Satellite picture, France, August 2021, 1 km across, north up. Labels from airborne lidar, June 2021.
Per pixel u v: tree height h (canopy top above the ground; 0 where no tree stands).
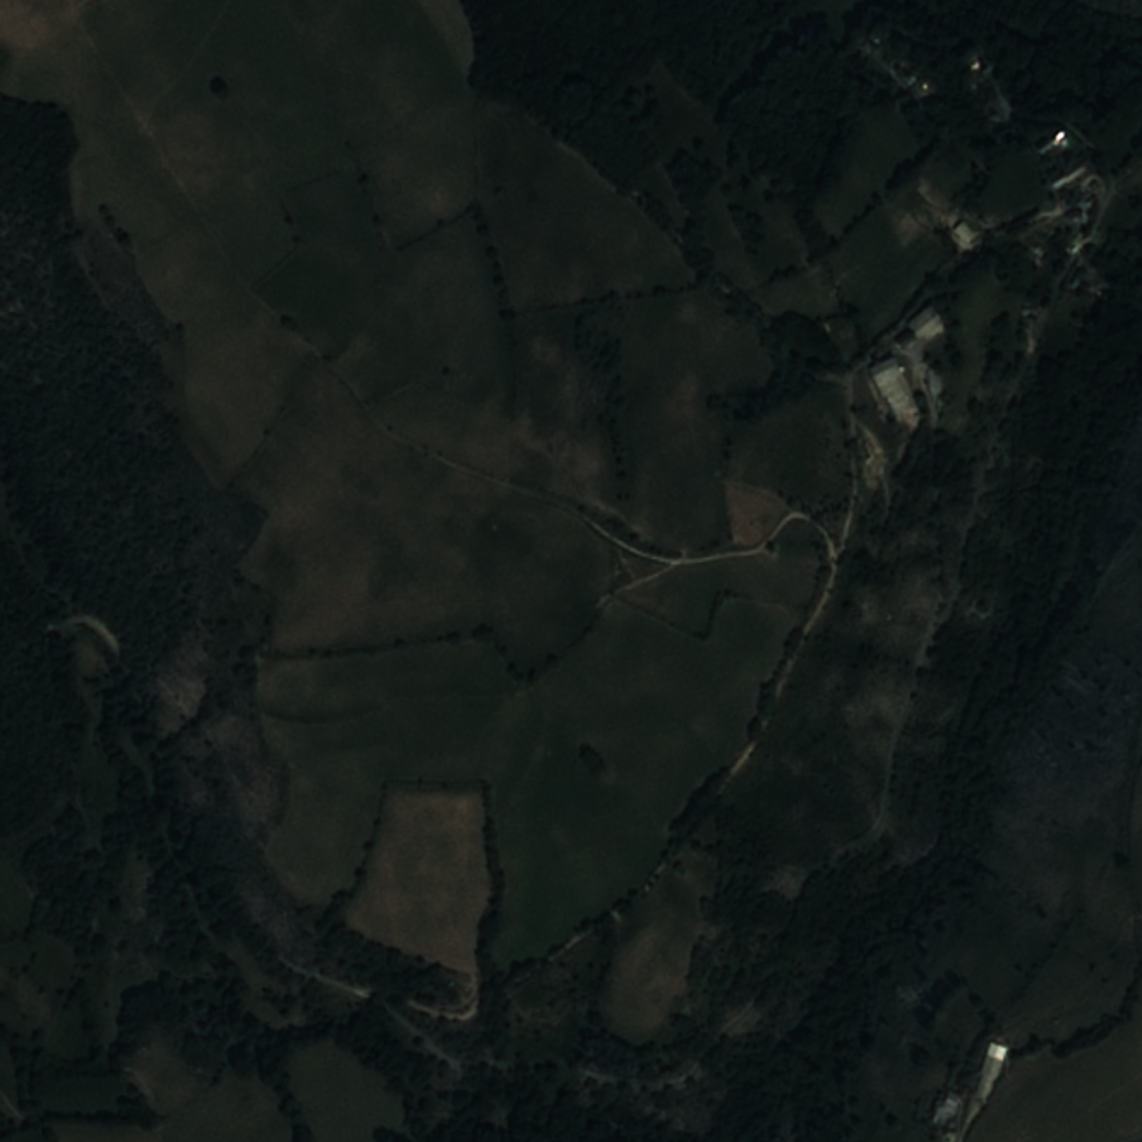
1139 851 0
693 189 20
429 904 0
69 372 8
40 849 9
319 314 0
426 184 0
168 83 0
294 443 0
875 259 0
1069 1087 0
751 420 17
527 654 0
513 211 0
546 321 0
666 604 0
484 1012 12
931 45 11
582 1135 19
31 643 15
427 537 0
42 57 0
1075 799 0
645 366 0
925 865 18
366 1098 0
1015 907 0
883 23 19
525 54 19
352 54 0
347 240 0
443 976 8
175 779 8
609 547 0
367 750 0
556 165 0
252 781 0
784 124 18
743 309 14
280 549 0
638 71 14
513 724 0
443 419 0
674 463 0
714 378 0
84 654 0
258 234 0
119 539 11
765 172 16
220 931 16
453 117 0
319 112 0
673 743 0
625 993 0
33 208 8
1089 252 12
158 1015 14
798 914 14
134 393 10
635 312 0
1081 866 0
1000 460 7
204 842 10
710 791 13
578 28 28
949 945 0
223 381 0
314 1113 0
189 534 8
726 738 0
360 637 0
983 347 0
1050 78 27
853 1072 9
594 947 0
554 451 0
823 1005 14
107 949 18
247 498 0
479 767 0
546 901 0
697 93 14
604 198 0
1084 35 29
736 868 10
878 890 6
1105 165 14
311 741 0
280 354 0
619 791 0
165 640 8
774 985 14
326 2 0
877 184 0
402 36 0
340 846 0
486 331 0
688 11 23
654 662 0
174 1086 0
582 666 0
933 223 0
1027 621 17
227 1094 0
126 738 0
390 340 0
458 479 0
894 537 12
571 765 0
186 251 0
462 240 0
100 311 7
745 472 0
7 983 0
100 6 0
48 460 8
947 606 9
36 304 8
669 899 0
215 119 0
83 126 0
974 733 9
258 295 0
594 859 0
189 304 0
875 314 0
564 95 16
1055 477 15
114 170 0
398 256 0
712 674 0
